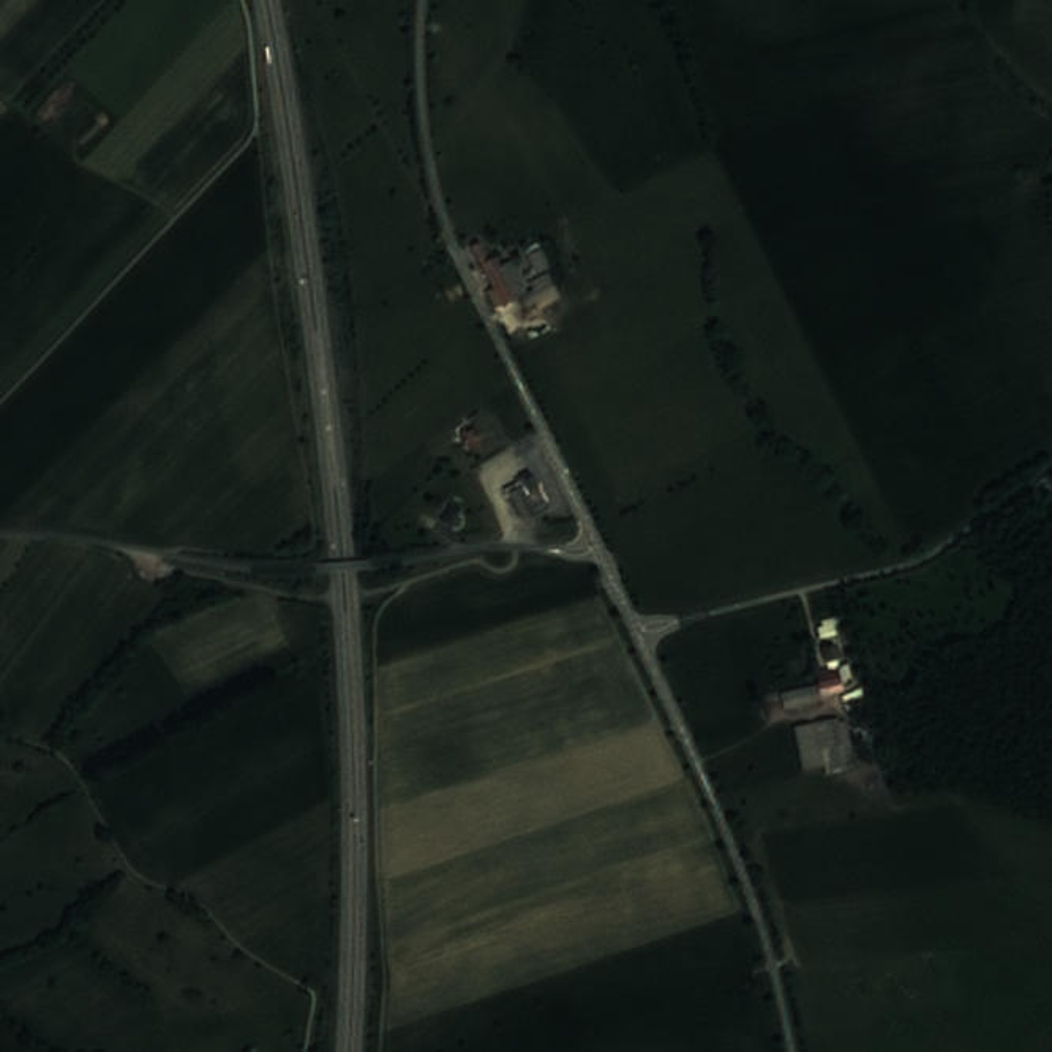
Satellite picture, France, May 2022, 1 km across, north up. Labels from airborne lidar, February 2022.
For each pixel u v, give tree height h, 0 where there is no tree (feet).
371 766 0
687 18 0
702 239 37
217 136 0
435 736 0
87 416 0
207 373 0
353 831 0
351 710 0
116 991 0
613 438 0
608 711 0
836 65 0
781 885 0
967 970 0
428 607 0
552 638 0
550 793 0
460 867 0
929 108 0
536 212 0
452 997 0
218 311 0
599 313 0
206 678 0
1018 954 0
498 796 0
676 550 0
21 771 36
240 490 0
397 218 0
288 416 0
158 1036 0
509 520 0
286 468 0
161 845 0
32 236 0
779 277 0
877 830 0
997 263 0
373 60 0
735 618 0
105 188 0
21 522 0
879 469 0
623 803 0
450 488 0
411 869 0
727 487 0
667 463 0
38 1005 0
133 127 0
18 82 0
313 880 0
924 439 0
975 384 0
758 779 0
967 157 0
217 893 0
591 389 0
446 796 0
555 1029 0
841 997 0
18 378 0
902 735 47
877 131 0
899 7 0
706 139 25
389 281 0
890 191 0
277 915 0
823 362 0
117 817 0
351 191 0
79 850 0
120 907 0
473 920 0
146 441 0
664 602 0
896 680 0
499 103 0
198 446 0
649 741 0
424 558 0
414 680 0
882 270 0
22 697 0
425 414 0
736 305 0
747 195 0
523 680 0
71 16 0
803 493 0
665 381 0
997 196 0
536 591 0
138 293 0
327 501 0
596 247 0
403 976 0
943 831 0
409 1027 0
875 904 0
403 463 0
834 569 0
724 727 0
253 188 0
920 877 0
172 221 0
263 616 0
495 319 0
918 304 0
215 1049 0
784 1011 0
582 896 0
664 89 0
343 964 0
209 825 0
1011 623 40
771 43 0
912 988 0
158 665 0
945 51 0
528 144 0
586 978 0
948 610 0
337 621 0
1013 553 55
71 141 0
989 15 0
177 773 0
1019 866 0
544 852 0
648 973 0
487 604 0
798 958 0
